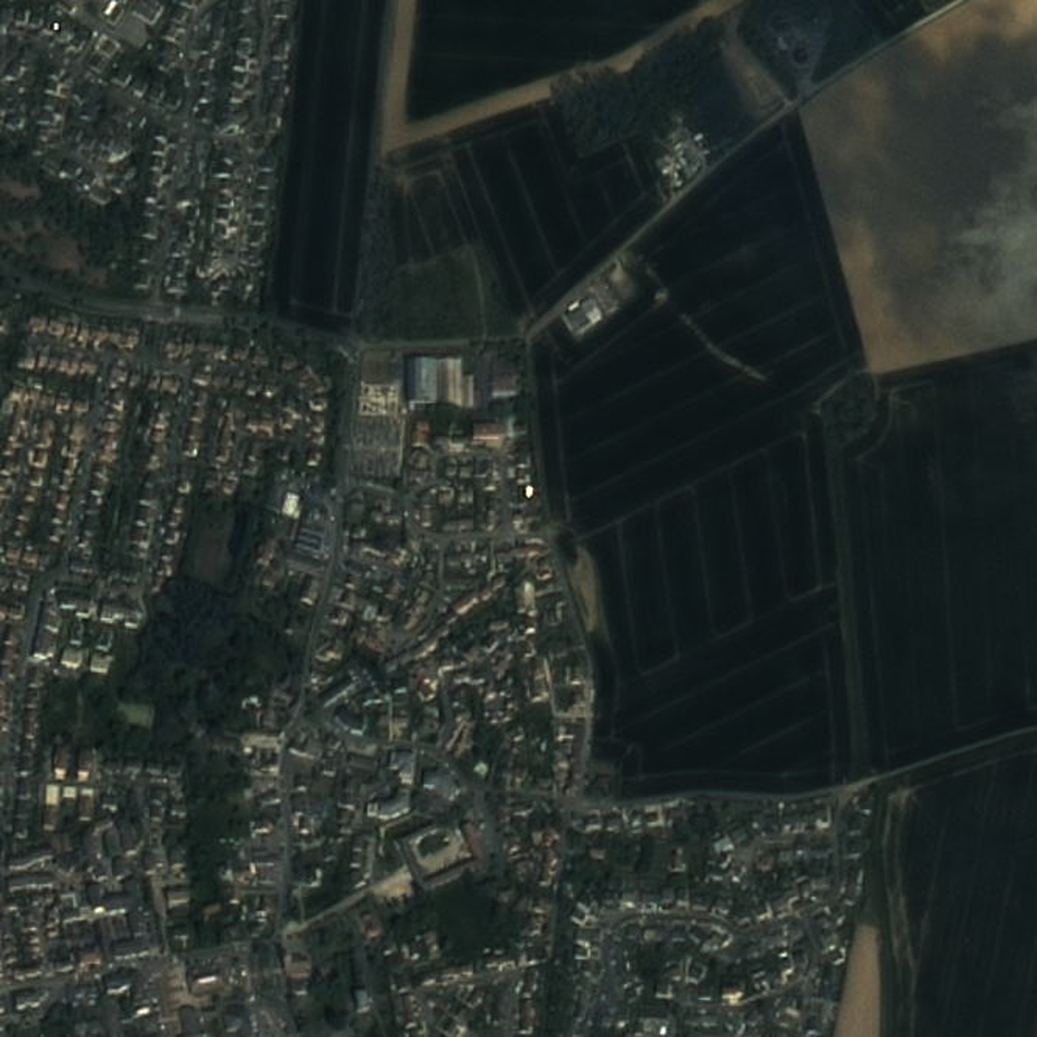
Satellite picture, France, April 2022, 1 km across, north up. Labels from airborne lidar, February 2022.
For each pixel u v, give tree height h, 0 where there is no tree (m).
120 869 0
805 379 0
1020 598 0
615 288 0
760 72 0
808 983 0
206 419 7
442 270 0
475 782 6
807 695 0
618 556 0
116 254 8
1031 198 0
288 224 0
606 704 0
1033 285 0
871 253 0
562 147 0
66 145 0
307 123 0
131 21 0
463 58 0
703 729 0
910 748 0
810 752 0
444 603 0
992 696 0
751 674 0
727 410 0
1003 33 0
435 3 0
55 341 0
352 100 0
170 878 0
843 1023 0
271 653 0
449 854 0
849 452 0
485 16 0
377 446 0
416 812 7
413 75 0
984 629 0
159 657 14
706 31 10
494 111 0
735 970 8
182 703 17
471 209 0
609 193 0
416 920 7
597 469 0
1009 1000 0
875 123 0
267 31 0
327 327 0
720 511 0
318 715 9
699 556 0
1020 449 0
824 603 0
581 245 0
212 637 19
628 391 0
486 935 0
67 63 0
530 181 0
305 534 0
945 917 0
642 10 0
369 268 13
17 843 6
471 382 0
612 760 0
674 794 0
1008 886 0
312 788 0
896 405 0
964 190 0
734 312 0
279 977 0
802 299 0
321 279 0
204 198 7
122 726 11
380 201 16
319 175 0
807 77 0
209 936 14
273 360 6
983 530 0
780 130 0
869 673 0
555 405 0
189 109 0
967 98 0
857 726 0
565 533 0
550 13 0
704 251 0
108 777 0
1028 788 0
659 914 0
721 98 15
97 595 9
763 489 0
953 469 0
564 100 23
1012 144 0
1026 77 0
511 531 0
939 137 0
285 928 0
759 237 0
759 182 0
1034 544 0
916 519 0
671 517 0
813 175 0
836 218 0
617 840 5
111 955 0
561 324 0
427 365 0
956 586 0
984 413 0
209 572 0
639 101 13
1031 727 0
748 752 0
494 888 12
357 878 0
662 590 0
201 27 0
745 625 0
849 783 0
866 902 0
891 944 0
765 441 0
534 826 9
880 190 0
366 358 0
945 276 0
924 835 0
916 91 0
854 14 0
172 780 0
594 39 0
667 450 0
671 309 0
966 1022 0
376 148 0
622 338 0
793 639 0
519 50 0
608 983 0
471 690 5
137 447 8
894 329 0
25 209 6
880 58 0
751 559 0
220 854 0
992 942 0
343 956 6
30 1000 0
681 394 0
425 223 0
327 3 0
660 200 0
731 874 0
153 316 0
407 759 0
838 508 0
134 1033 7
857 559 0
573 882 16
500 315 0
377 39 0
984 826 0
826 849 0
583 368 0
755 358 0
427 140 0
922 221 0
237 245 0
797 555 0
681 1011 11
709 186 0
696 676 0
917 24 0
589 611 0
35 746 0
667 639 0
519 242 0
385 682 6
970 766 0
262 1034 0
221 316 0
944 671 0
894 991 0
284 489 0
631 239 0
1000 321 0
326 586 0
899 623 0
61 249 0
